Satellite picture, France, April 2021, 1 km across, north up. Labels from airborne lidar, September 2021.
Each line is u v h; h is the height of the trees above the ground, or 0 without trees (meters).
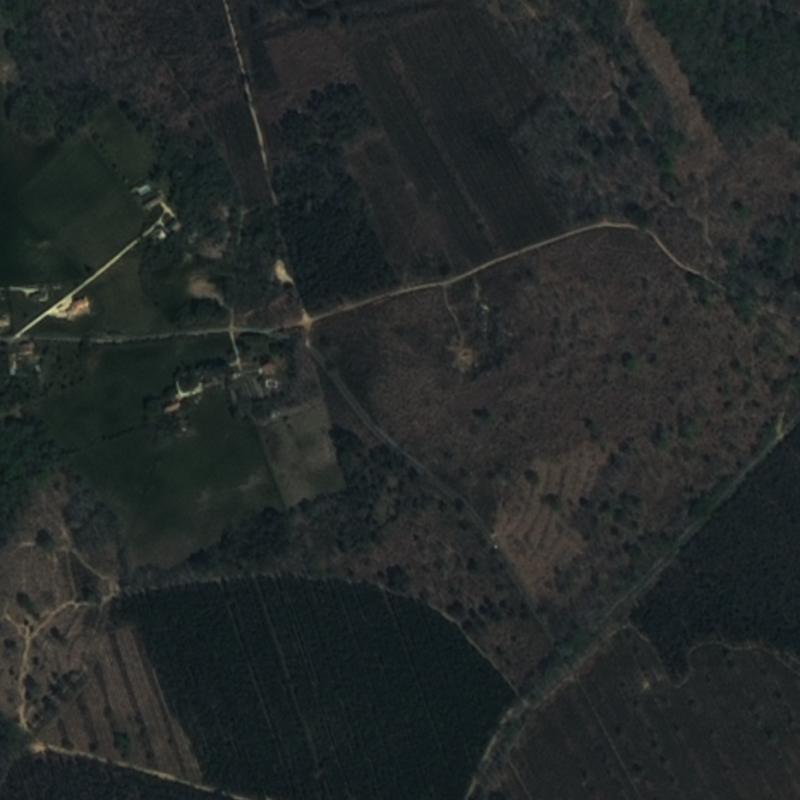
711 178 11
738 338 13
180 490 0
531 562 14
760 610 11
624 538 18
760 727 17
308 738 12
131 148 0
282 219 18
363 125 22
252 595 12
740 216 19
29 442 22
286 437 0
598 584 21
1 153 0
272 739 11
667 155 23
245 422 14
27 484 22
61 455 12
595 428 17
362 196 17
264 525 16
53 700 17
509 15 18
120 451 0
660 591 8
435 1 7
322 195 25
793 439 12
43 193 0
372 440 7
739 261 16
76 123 17
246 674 10
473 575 16
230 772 15
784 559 8
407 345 18
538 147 18
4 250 0
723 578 11
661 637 11
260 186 7
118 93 11
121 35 8
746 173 11
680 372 6
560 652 15
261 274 15
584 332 9
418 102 6
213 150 9
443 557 20
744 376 23
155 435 15
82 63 15
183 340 7
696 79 25
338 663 14
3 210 0
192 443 0
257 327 15
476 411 0
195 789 7
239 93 6
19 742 20
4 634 20
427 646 12
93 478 0
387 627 14
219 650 15
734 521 11
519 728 18
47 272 0
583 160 15
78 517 19
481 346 8
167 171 7
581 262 12
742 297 16
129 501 0
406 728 8
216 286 0
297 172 19
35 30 15
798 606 11
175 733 0
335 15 7
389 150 0
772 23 19
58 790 11
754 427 14
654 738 15
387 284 22
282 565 25
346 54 7
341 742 10
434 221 0
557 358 13
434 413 16
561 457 7
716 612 11
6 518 26
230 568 24
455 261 0
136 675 0
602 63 12
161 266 22
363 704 11
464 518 20
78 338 0
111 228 0
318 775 16
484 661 13
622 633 10
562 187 19
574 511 16
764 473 9
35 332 0
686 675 10
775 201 13
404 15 7
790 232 19
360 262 18
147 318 0
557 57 18
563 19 18
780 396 19
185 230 13
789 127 17
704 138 0
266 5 16
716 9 18
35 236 0
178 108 6
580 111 17
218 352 0
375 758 13
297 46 0
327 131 29
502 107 8
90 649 19
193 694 13
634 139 18
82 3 10
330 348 20
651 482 17
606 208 14
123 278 0
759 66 26
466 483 19
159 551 0
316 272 18
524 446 14
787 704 15
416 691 15
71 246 0
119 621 15
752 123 23
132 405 0
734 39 22
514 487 15
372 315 6
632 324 14
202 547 0
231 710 16
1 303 0
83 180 0
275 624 14
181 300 0
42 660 19
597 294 18
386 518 7
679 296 6
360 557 13
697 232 10
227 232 15
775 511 9
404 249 0
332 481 0
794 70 21
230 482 0
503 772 23
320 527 14
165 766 0
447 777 12
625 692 11
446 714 16
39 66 17
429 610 14
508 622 7
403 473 16
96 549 19
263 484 0
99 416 0
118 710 0
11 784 9
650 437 13
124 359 0
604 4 20
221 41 8
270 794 14
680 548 9
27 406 12
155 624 15
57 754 7
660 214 12
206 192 22
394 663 15
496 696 15
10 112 14
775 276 27
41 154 0
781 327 17
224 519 0
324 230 21
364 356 6
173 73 7
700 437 14
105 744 0
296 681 12
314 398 21
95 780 13
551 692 23
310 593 14
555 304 16
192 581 19
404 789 15
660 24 22
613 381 19
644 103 23
